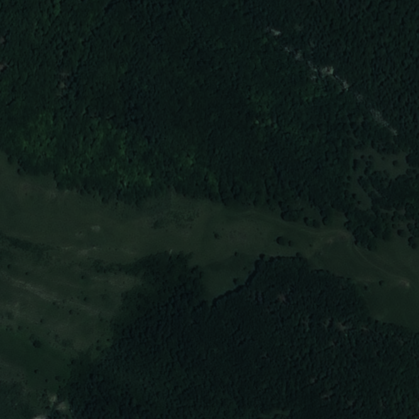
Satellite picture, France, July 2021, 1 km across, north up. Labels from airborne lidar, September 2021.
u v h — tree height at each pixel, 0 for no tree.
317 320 26
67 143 15
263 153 22
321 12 22
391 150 17
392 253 0
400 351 28
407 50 27
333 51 21
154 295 10
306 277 26
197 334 25
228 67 18
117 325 14
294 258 23
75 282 0
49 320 0
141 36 25
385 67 24
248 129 30
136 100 34
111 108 34
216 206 0
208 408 17
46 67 26
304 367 23
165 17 18
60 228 0
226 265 0
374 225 27
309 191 20
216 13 20
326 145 20
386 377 23
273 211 6
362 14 19
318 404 15
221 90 26
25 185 0
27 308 0
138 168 25
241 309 27
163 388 6
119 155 25
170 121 24
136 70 25
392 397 18
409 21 33
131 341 19
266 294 28
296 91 18
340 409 19
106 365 7
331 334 25
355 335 25
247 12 9
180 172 24
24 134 23
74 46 22
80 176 22
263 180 25
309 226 13
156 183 17
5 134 21
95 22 28
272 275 26
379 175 10
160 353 19
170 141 17
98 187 12
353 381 13
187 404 11
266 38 13
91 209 0
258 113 19
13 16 20
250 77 15
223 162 27
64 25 26
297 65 18
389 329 24
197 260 0
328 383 18
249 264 0
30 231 0
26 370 0
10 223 0
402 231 17
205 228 0
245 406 14
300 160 23
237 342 18
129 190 20
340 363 11
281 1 17
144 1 29
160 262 12
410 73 27
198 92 23
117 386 15
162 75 28
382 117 7
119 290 0
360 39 23
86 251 0
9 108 23
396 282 0
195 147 33
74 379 8
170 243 0
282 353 23
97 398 23
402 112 31
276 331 23
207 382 13
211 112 32
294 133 18
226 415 15
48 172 19
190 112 26
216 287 0
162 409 8
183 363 19
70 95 33
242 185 21
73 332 0
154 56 25
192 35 25
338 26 25
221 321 25
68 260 0
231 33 19
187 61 30
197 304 10
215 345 17
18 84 33
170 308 21
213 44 15
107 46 27
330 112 19
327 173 23
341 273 0
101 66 16
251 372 14
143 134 28
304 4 23
